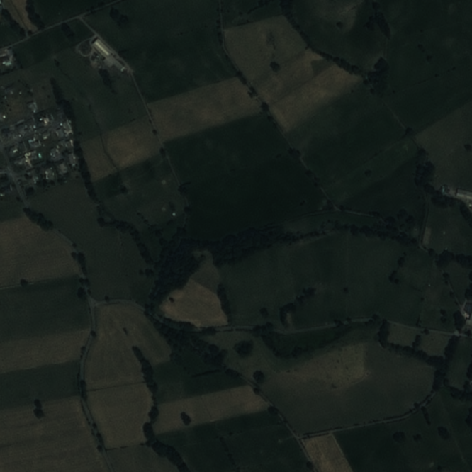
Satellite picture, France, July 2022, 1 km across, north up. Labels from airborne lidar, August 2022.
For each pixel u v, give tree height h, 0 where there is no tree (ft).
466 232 0
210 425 0
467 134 0
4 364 0
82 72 0
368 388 0
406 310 0
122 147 0
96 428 39
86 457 0
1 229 0
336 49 0
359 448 0
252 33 0
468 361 0
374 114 0
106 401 0
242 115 0
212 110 0
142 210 0
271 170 0
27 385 0
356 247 0
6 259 0
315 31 0
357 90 0
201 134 0
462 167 0
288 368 0
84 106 0
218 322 0
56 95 24
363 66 0
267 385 0
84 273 37
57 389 0
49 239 0
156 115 0
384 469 0
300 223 0
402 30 0
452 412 0
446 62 0
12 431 0
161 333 28
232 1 0
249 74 0
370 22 32
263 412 0
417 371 0
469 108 0
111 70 0
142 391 0
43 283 0
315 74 0
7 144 0
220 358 62
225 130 0
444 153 0
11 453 0
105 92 0
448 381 32
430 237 0
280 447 0
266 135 0
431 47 0
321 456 0
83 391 41
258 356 0
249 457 0
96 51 0
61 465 0
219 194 0
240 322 0
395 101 0
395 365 0
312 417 0
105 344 0
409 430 0
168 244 19
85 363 0
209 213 0
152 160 0
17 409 0
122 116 0
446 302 0
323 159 0
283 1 57
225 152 0
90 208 0
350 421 0
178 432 0
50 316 0
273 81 0
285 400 0
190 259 65
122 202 0
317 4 0
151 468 0
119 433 0
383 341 56
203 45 0
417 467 0
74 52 0
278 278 0
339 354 0
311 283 0
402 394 0
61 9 0
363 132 0
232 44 0
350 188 0
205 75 0
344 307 0
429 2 0
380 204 0
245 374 0
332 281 0
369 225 0
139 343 0
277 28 0
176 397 0
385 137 0
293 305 47
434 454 0
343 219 0
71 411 0
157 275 0
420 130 0
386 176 0
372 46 0
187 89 0
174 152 0
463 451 0
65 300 0
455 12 0
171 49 0
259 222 0
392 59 0
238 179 0
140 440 0
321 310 0
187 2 0
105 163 0
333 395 0
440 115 0
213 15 0
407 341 0
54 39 0
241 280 0
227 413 0
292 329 0
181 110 0
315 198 0
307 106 0
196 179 0
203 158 0
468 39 0
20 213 0
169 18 0
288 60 0
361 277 0
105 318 0
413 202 0
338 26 31
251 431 0
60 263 0
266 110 35
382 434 0
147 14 0
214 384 0
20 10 0
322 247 0
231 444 0
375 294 0
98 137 0
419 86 0
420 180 55
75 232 0
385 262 0
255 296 0
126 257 0
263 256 0
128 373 0
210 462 0
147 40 0
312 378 0
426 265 0
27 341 0
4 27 0
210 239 0
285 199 0
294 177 0
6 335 0
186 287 0
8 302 0
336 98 0
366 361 0
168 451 70
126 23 56
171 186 0
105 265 0
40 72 0
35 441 0
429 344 0
